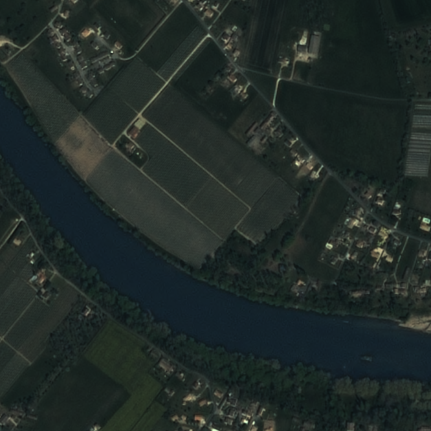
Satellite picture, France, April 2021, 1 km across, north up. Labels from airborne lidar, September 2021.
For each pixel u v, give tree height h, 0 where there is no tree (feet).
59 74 0
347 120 0
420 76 0
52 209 0
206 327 0
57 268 47
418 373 0
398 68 41
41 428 0
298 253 0
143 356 0
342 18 0
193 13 0
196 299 0
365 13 0
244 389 63
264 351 0
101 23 0
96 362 0
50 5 0
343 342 0
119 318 23
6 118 0
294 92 0
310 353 0
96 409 0
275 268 0
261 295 24
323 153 0
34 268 26
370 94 0
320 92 0
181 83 0
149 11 0
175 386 0
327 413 37
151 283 0
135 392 0
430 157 0
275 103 0
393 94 0
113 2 0
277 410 0
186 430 0
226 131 0
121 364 0
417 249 0
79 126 0
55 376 28
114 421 0
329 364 0
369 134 0
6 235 0
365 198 22
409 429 0
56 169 0
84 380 0
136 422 0
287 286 0
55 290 26
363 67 0
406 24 0
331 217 0
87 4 0
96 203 54
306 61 0
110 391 0
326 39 0
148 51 0
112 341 0
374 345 0
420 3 0
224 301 0
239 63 0
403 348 0
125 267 0
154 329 123
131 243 0
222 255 54
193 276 88
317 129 0
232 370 64
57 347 34
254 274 88
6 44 0
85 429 0
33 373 0
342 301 30
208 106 0
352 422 20
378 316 31
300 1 0
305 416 28
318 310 34
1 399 0
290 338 0
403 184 25
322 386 61
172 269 0
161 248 0
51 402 0
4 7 0
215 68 0
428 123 0
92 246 0
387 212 34
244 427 27
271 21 0
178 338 59
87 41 0
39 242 56
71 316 28
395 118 0
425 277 0
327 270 0
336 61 0
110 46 0
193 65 0
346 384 138
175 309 0
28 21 0
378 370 0
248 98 0
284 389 51
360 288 39
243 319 0
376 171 0
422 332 0
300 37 0
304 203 52
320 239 0
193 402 18
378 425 73
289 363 0
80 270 42
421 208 0
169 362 0
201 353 59
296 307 53
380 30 0
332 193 0
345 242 24
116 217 0
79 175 0
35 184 0
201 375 44
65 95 23
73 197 0
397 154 0
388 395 106
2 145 0
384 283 0
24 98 0
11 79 0
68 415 0
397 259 0
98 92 0
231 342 0
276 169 26
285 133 33
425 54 36
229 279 80
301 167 0
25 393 0
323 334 0
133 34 0
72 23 0
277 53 0
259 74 0
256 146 0
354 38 0
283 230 0
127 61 0
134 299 0
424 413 71
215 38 0
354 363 0
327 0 25
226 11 0
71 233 0
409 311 45
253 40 0
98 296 95
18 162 0
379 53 0
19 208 59
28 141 0
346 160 0
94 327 48
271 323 0
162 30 0
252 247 41
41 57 0
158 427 0
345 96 0
